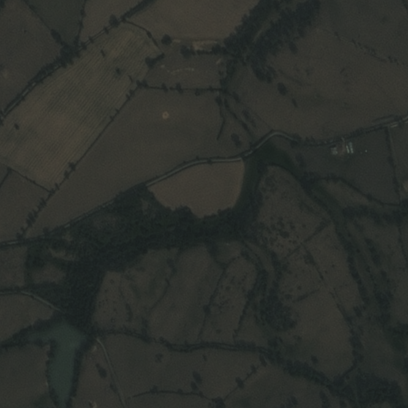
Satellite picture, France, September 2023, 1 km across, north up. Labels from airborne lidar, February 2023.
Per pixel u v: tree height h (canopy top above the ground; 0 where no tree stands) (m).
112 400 0
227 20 0
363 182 0
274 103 0
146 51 0
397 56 0
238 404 0
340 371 0
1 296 0
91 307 16
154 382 0
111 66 0
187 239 14
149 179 0
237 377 0
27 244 12
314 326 0
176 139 0
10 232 0
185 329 0
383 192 0
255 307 12
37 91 0
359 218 7
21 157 0
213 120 0
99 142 0
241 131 0
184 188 0
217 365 0
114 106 0
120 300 0
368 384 20
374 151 0
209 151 0
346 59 0
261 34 0
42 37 0
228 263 0
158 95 0
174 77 0
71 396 10
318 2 14
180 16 0
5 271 0
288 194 0
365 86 0
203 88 0
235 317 0
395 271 0
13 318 0
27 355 0
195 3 0
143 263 0
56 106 0
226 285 0
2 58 0
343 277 0
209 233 14
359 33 0
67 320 15
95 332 19
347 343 0
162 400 0
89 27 0
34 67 0
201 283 0
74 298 14
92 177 0
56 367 0
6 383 0
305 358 0
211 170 0
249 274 0
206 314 14
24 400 0
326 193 0
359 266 0
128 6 0
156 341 9
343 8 0
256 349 15
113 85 0
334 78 0
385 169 0
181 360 0
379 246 0
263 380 0
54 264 0
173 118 0
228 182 0
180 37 0
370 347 0
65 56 20
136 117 0
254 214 14
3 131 0
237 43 18
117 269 10
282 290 0
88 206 0
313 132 0
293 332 0
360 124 0
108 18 0
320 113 0
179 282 0
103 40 0
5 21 0
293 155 0
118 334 0
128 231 10
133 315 0
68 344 0
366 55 0
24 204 0
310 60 0
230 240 0
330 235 0
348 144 0
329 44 0
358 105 0
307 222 0
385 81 0
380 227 0
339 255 0
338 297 0
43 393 0
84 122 0
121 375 0
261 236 13
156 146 0
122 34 0
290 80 0
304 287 0
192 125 0
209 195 0
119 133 0
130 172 0
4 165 0
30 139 0
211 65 0
